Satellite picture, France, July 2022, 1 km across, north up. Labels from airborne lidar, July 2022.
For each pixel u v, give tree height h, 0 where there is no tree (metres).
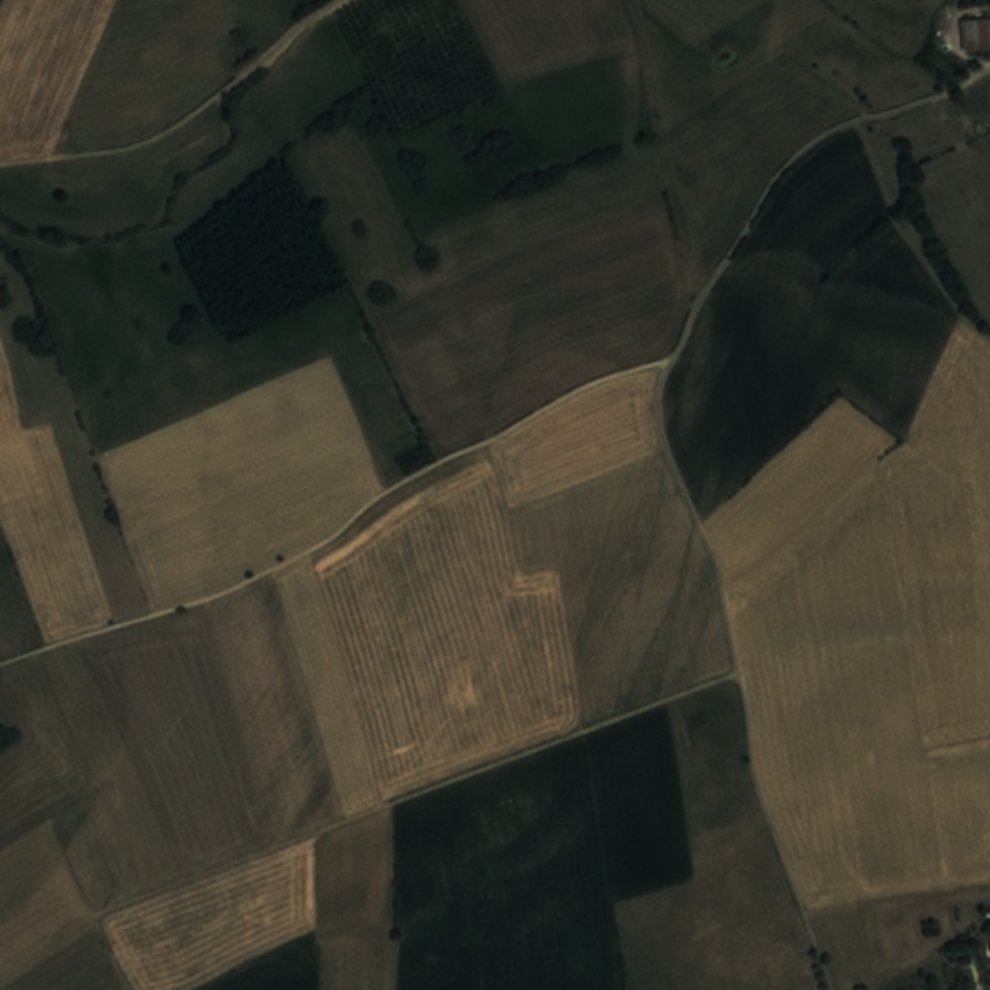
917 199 18
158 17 0
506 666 0
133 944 0
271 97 0
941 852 0
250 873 0
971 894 0
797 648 0
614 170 0
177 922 0
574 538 0
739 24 0
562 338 0
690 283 0
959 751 0
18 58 0
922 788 0
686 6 0
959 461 0
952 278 18
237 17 0
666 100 0
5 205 0
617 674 0
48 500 0
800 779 0
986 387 0
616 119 0
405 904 0
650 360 0
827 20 0
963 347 0
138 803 0
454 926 0
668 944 0
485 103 6
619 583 0
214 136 0
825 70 0
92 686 0
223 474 0
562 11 0
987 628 0
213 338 0
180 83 0
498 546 0
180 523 0
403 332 0
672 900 0
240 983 0
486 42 0
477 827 0
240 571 0
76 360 0
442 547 0
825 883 0
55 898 0
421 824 0
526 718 0
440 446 0
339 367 0
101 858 0
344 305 0
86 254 0
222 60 0
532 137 0
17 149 0
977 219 0
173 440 0
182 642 0
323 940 0
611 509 0
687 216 0
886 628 0
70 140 0
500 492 0
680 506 0
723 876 0
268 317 19
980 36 0
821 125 0
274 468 0
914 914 0
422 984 0
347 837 0
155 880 0
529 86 0
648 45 0
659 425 0
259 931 0
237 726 0
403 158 8
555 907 0
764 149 0
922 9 0
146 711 0
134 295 0
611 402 0
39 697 0
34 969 0
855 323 0
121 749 0
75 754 0
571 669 0
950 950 12
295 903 0
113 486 0
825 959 10
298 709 0
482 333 0
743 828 0
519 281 0
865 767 0
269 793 0
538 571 0
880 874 0
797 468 0
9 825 0
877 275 0
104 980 0
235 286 19
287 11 0
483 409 0
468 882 0
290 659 0
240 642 0
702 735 0
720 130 0
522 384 0
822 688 0
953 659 0
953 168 0
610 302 0
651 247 0
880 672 0
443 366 0
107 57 0
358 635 0
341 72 0
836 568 0
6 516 0
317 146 0
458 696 0
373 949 0
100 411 0
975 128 0
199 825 0
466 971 0
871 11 0
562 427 0
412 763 0
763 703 0
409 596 0
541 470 0
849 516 0
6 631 0
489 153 8
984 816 0
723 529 0
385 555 0
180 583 0
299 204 14
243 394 0
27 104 0
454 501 0
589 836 0
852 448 0
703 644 0
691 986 0
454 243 0
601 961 0
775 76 0
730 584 0
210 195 0
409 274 0
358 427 0
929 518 0
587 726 0
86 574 0
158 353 0
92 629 0
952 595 0
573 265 0
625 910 0
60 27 0
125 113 0
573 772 0
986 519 0
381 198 0
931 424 0
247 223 19
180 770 0
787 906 0
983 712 0
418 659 0
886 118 0
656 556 0
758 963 0
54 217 0
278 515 0
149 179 0
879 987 0
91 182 0
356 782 0
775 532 0
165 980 0
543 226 0
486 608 0
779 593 0
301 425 0
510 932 0
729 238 0
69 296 0
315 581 0
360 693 0
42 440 0
